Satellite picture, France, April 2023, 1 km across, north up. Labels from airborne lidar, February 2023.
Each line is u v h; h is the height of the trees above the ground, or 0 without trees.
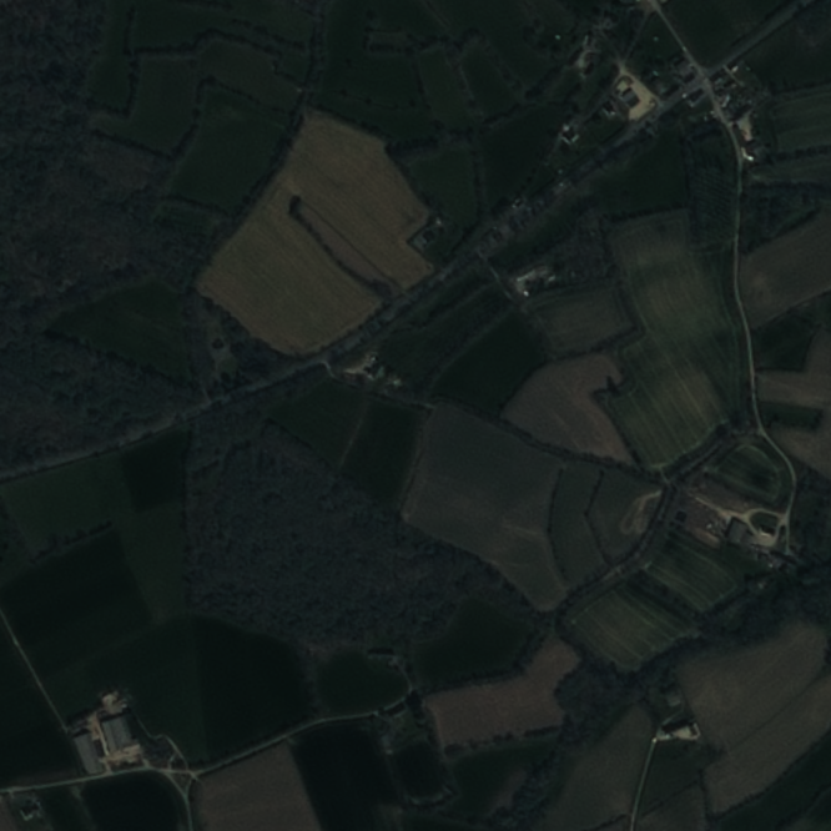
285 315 0
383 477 0
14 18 9
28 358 12
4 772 0
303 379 12
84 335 0
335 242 0
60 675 0
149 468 0
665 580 0
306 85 6
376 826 0
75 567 0
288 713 0
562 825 0
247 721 0
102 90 0
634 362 0
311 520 9
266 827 0
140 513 0
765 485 0
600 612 0
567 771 0
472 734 0
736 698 0
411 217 0
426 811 12
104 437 12
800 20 9
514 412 0
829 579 23
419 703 9
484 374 0
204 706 0
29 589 0
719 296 0
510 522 0
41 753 0
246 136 0
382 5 0
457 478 0
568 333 0
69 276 6
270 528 13
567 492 0
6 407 14
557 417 0
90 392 8
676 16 0
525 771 0
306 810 0
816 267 0
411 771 0
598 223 16
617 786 0
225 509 11
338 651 0
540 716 0
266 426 9
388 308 13
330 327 0
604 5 8
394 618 13
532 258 11
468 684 11
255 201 7
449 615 11
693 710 0
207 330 12
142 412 12
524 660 10
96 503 0
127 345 0
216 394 17
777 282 0
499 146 0
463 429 0
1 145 13
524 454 0
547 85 12
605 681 28
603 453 0
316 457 7
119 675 0
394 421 0
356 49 0
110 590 0
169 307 0
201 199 0
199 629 0
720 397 0
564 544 0
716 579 0
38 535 0
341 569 9
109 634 0
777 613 21
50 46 18
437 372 10
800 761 6
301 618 13
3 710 0
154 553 0
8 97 10
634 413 0
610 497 0
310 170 0
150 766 15
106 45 0
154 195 13
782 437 0
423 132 0
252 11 0
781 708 0
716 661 0
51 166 25
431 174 0
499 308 12
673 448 0
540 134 0
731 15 0
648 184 0
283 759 0
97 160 13
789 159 9
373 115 0
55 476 0
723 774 0
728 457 0
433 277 0
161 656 0
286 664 0
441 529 0
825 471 0
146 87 0
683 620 0
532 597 0
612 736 0
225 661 0
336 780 0
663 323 0
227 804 0
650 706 7
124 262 8
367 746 0
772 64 0
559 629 8
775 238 6
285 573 14
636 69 0
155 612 0
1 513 8
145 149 8
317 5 12
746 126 0
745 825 0
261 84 0
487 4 0
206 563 9
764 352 0
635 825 0
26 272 9
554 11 0
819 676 0
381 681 0
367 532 14
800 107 0
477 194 8
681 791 0
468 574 10
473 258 13
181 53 10
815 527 10
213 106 0
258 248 0
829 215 0
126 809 0
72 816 0
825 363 0
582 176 11
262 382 13
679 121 6
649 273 0
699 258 0
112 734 0
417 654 0
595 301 0
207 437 12
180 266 9
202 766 7
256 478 13
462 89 7
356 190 0
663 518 7
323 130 0
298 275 0
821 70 0
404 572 14
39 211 7
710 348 0
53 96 21
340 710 0
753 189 8
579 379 0
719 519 0
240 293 0
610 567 15
